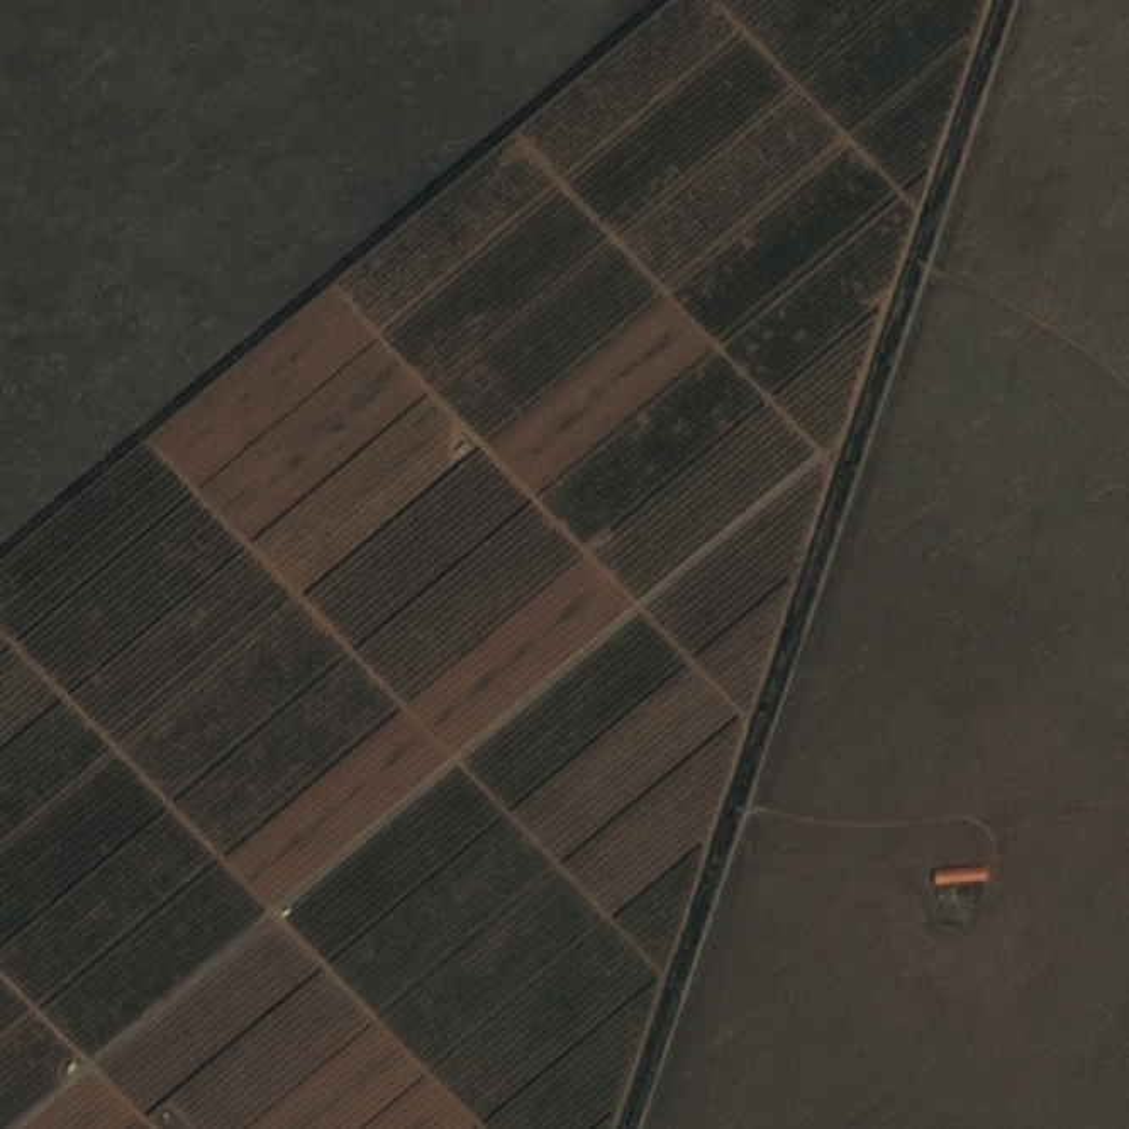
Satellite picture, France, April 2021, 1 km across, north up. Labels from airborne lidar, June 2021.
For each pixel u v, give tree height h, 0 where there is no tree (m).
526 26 0
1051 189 0
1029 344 0
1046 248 0
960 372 0
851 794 0
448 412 0
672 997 7
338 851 0
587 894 0
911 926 0
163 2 0
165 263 0
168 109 0
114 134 0
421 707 0
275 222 0
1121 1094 0
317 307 0
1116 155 0
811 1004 0
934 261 0
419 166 0
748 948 0
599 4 0
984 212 0
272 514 0
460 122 0
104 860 6
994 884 0
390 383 0
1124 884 0
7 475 0
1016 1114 0
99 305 0
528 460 0
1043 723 0
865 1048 0
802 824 0
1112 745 0
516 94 0
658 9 7
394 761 0
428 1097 0
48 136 0
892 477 0
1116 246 0
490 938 0
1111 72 0
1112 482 0
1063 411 0
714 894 0
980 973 0
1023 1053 0
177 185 0
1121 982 0
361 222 0
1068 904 0
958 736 0
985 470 0
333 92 0
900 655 0
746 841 0
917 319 0
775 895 0
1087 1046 0
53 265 0
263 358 0
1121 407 0
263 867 0
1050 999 0
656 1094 0
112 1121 0
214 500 0
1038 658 0
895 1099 0
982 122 0
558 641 0
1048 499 0
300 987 6
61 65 0
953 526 0
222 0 0
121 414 0
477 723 0
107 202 0
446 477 6
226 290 0
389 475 0
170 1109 0
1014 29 0
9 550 7
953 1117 0
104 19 0
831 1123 0
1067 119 0
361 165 0
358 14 0
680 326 0
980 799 0
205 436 0
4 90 0
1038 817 0
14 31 0
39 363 0
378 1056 0
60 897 7
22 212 0
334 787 0
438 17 0
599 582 0
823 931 0
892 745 0
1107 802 0
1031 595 0
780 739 0
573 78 7
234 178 0
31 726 7
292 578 0
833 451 0
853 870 0
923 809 0
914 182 6
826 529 0
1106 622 0
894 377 0
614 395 0
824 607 0
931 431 0
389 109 0
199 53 0
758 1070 0
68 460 0
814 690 0
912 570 0
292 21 0
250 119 0
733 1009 0
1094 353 0
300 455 0
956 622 0
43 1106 0
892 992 0
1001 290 0
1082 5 0
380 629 6
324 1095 0
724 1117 0
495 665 0
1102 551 0
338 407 0
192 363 0
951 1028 0
